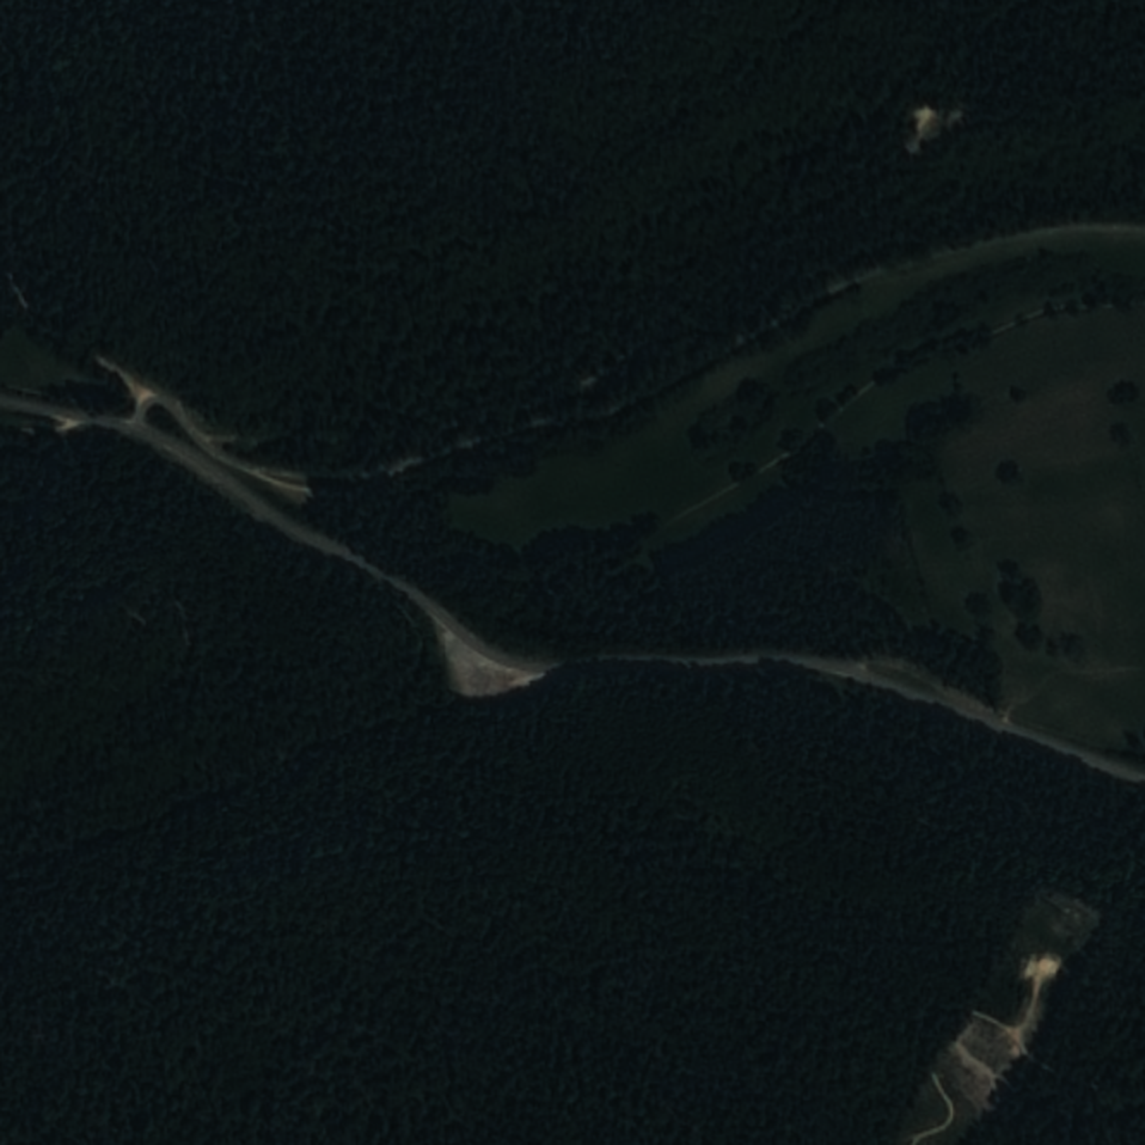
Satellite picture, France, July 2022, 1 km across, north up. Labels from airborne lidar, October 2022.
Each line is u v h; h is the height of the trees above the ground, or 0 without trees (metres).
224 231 20
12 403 0
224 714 22
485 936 12
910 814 25
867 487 8
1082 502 0
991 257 0
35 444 19
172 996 19
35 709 17
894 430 0
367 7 21
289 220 19
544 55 17
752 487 0
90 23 25
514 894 16
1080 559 0
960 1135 0
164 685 11
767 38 18
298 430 22
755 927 19
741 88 23
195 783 23
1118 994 24
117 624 15
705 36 12
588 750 27
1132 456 0
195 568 18
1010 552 0
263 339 20
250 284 14
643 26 12
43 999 12
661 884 21
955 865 27
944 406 6
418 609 15
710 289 18
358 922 14
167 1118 28
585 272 19
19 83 7
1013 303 0
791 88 22
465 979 6
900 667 0
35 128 18
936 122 0
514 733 22
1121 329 0
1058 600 0
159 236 21
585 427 16
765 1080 22
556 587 34
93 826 27
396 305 25
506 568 30
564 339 29
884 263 20
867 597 24
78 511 37
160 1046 18
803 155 19
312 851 18
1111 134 22
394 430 14
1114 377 0
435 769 19
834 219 25
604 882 19
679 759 24
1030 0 19
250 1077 8
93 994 14
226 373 18
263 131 31
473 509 0
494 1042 15
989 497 0
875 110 8
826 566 22
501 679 0
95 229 20
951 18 19
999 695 13
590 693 25
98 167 20
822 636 26
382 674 18
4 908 22
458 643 0
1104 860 21
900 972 18
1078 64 21
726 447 7
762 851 11
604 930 17
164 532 19
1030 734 0
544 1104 25
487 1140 20
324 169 22
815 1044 17
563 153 19
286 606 23
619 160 22
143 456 14
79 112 22
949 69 14
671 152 19
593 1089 21
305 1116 23
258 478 0
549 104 17
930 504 0
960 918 16
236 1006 19
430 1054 21
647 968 30
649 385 22
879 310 0
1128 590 0
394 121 17
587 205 15
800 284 28
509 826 22
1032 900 10
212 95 22
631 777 21
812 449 7
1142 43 19
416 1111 16
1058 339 0
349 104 21
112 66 16
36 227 24
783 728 29
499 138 21
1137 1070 17
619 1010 20
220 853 24
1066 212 18
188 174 17
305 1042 9
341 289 24
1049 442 0
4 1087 18
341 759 24
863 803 23
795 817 25
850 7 21
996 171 16
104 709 20
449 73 27
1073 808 30
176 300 12
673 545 0
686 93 21
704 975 16
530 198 19
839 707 21
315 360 23
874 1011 21
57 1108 24
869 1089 17
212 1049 6
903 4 19
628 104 17
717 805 14
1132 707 0
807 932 19
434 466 13
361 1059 6
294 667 24
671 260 15
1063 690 0
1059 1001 22
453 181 17
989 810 25
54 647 12
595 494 0
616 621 27
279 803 24
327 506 22
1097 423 0
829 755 26
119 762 20
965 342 11
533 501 0
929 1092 0
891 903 14
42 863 26
